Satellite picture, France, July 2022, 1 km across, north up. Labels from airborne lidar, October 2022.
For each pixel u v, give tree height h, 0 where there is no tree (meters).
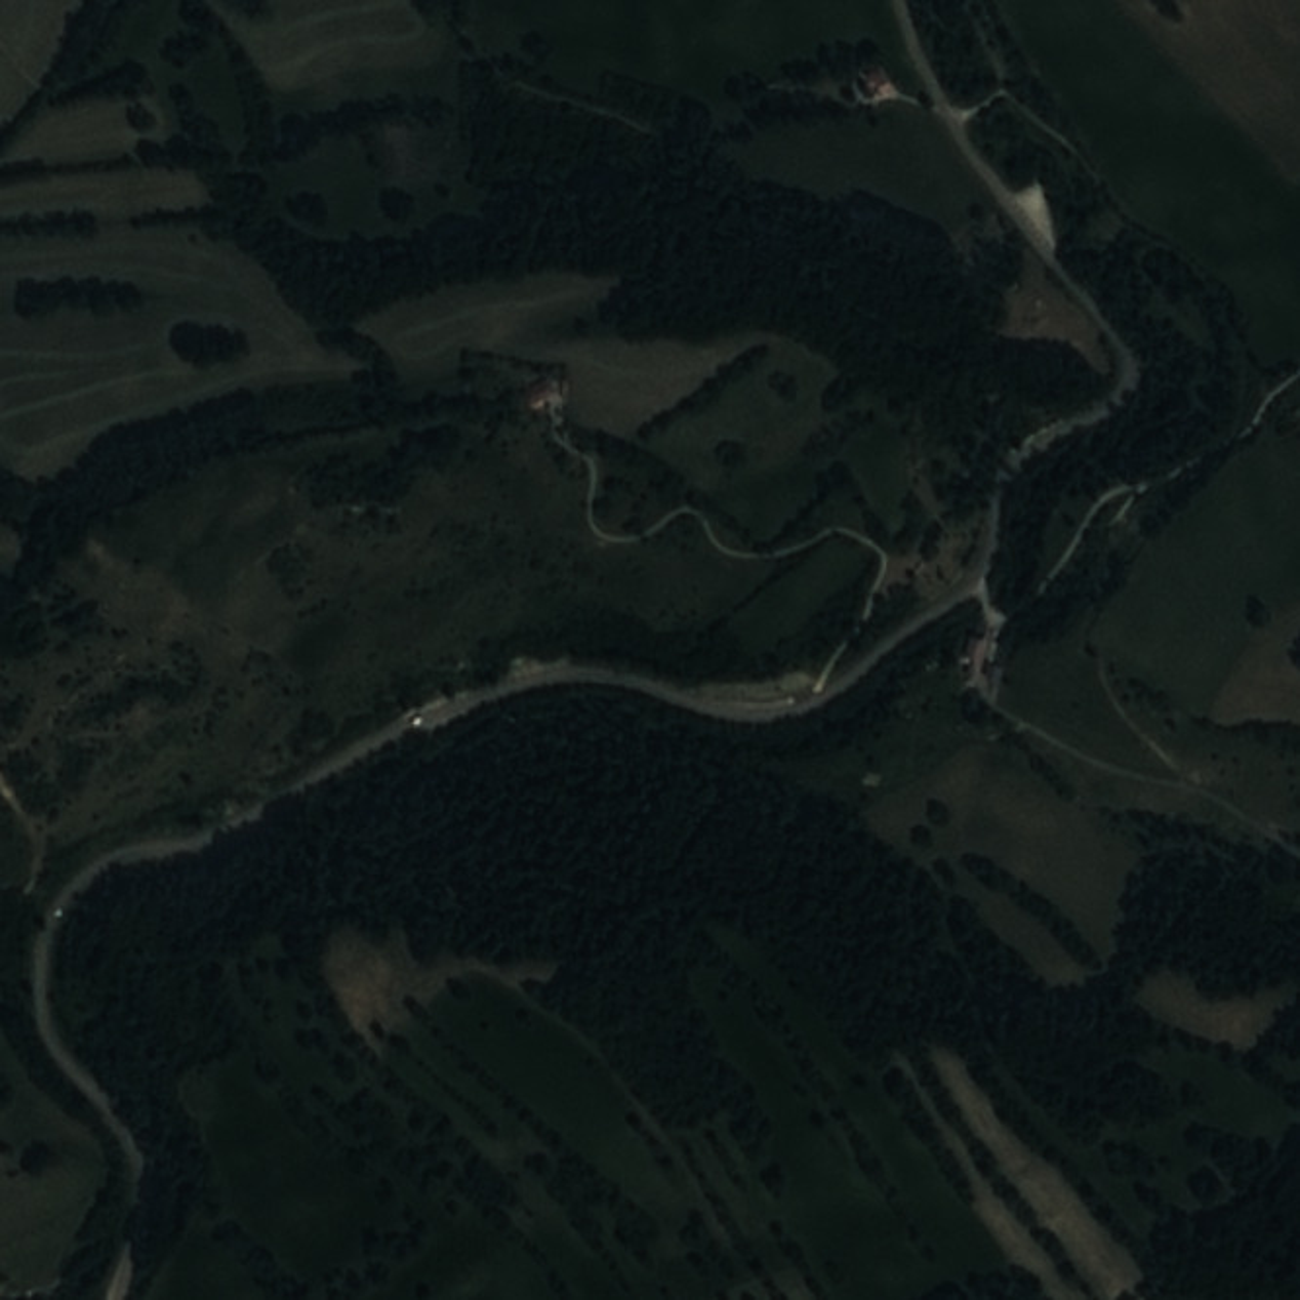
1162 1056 0
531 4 0
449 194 10
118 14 24
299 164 0
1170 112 0
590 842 24
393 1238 9
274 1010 7
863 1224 0
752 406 0
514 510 0
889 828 0
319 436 11
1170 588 0
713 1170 0
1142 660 0
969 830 0
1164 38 0
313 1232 0
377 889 6
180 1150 27
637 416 0
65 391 0
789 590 0
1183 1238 25
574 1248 0
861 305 27
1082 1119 17
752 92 14
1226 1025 0
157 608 0
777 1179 17
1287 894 0
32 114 12
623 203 37
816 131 0
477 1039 0
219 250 0
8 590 25
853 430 20
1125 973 13
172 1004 7
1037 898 15
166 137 0
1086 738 0
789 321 24
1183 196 0
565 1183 6
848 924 16
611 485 13
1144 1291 10
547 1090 0
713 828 35
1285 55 0
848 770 0
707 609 0
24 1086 0
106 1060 18
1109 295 22
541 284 0
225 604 0
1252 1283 27
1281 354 0
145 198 0
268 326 0
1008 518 12
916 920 13
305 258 27
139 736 0
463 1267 0
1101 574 0
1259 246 0
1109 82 0
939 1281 0
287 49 0
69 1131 0
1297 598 0
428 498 0
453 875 13
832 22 0
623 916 21
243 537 0
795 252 26
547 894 18
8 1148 11
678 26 0
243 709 0
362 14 0
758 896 25
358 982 0
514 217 30
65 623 6
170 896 24
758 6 0
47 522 22
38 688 0
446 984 0
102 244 0
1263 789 0
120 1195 23
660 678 7
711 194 34
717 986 0
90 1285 15
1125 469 25
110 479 15
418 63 0
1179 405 25
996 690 0
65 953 18
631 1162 0
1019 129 9
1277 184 0
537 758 21
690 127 20
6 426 0
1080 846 0
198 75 0
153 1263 10
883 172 0
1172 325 11
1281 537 0
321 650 0
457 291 0
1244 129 0
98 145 0
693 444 0
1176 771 0
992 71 6
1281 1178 23
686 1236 9
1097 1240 0
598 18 0
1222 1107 0
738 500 0
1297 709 0
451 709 0
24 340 0
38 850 0
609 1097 0
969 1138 7
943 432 7
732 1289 0
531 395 0
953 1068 0
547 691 9
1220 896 13
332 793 19
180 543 0
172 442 20
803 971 19
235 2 22
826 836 16
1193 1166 0
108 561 0
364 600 0
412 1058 8
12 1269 0
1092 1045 25
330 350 19
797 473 0
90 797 0
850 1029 18
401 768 25
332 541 0
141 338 0
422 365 0
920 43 0
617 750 21
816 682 0
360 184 0
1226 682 0
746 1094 15
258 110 7
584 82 0
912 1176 0
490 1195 17
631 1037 10
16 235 14
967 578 0
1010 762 0
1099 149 0
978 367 24
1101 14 0
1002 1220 0
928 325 22
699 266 28
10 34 0
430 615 0
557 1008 15
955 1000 23
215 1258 0
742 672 6
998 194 0
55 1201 0
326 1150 17
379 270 22
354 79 0
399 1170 14
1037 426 6
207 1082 0
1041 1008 33
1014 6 0
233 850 32
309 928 23
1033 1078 26
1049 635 6
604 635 8
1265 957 13
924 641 13
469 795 23
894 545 8
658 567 0
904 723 0
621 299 19
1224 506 0
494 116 7
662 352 0
